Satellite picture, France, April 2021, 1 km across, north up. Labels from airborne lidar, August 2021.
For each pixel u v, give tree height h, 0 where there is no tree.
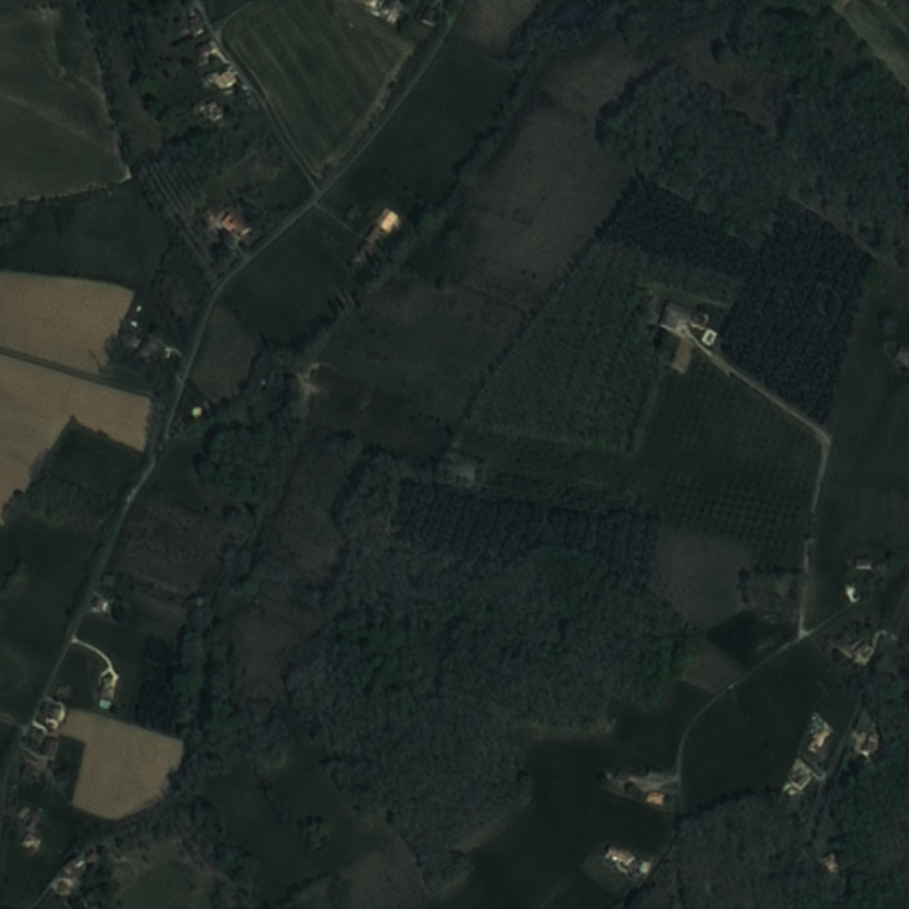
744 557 0
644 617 22
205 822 29
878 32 0
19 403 0
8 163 0
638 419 15
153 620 0
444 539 16
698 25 14
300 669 11
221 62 9
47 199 10
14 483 0
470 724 17
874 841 25
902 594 0
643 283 13
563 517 17
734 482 8
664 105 20
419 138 0
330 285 0
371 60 0
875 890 25
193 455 0
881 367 0
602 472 7
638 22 21
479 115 0
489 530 17
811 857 18
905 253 18
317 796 0
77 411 0
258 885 18
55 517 10
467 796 15
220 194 0
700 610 0
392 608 22
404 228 0
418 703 19
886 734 20
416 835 13
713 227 20
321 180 9
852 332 12
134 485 10
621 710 0
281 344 0
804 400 13
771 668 0
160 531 6
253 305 0
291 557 6
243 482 28
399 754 20
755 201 25
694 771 0
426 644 15
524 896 0
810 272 17
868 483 0
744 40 25
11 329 0
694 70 0
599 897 0
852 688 14
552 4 8
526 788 18
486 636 17
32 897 12
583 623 19
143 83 19
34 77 0
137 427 0
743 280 16
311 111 0
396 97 12
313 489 6
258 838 0
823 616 0
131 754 0
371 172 0
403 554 18
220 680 23
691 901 17
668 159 19
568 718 19
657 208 19
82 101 0
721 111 24
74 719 0
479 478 8
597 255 14
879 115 24
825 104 20
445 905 0
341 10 0
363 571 19
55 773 9
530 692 18
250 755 21
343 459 15
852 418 0
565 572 26
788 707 0
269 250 0
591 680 18
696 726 0
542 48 16
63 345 0
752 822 21
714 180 22
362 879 0
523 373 18
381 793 17
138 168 9
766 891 20
